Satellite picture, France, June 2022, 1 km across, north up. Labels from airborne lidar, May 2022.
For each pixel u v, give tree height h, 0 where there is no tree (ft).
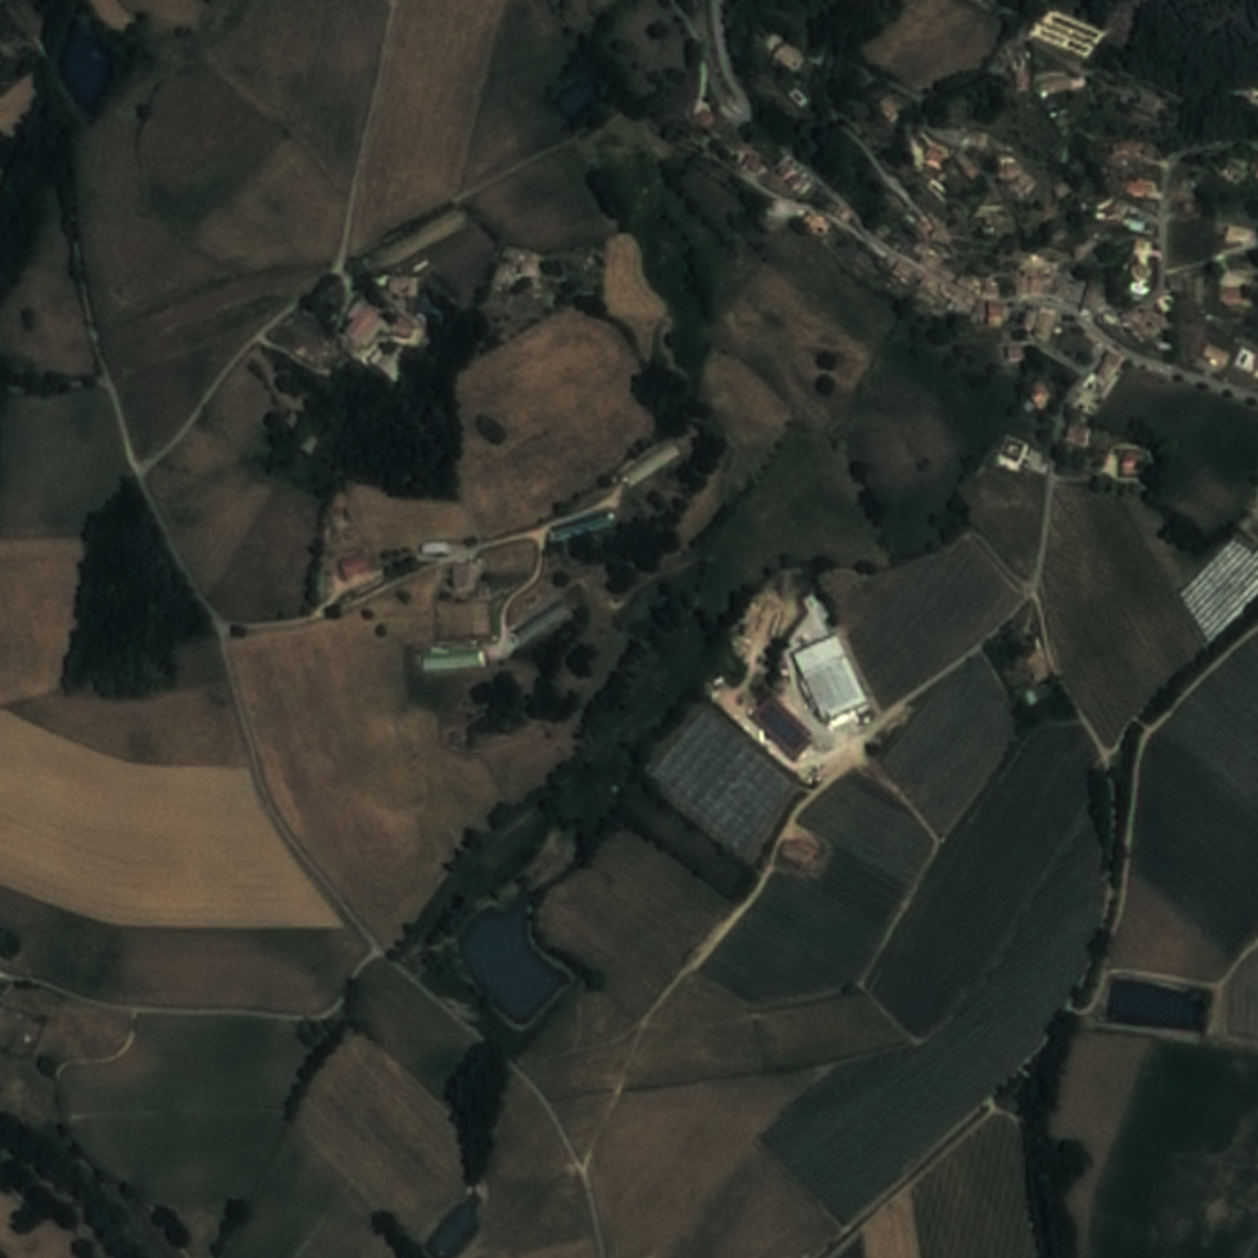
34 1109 0
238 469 0
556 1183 0
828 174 48
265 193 0
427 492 36
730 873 0
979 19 0
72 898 0
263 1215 0
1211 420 0
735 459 0
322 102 0
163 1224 42
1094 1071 0
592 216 0
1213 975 0
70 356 0
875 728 0
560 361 0
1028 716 33
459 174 0
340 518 0
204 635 30
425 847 0
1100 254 34
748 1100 0
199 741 0
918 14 0
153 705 0
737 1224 0
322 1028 43
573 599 0
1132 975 0
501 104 0
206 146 0
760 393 0
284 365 23
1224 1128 0
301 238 0
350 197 0
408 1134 0
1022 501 0
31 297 0
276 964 0
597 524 0
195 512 0
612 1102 0
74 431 0
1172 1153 0
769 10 48
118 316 0
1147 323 0
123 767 0
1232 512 0
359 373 25
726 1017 0
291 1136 0
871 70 22
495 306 0
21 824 0
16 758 0
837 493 0
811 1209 0
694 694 30
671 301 0
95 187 0
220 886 0
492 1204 0
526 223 0
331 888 0
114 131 0
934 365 0
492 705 31
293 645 0
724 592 0
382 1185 0
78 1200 69
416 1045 0
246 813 0
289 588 0
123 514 33
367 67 0
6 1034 0
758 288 0
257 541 0
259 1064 0
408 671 0
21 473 0
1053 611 0
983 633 0
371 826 0
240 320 0
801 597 0
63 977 0
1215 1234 0
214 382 0
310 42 0
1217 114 76
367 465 39
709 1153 0
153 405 0
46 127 61
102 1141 0
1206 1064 0
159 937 0
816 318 0
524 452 0
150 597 31
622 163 0
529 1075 0
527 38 0
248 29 0
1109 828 21
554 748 0
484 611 0
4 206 61
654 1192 0
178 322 0
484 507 0
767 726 0
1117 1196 0
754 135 63
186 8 0
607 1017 0
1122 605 0
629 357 0
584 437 0
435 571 0
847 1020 0
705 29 0
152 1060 0
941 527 32
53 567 0
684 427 56
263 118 0
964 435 0
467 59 0
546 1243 0
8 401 38
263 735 0
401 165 0
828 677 0
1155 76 55
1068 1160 58
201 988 0
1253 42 48
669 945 0
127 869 0
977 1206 0
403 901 0
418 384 49
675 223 34
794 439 0
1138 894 0
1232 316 0
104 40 32
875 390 0
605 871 0
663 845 30
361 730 0
